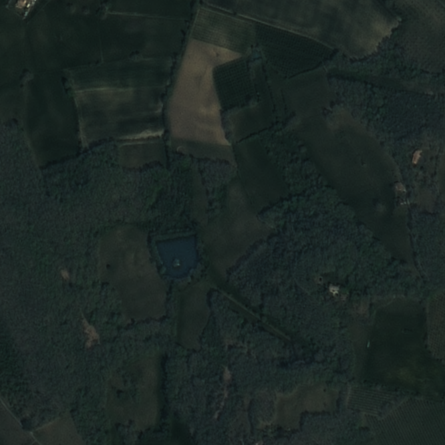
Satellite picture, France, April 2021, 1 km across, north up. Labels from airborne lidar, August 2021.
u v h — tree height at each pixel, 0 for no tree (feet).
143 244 0
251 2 0
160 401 0
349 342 44
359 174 0
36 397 37
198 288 0
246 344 48
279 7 0
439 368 0
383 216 0
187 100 0
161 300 0
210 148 0
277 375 84
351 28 0
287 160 37
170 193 51
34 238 75
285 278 43
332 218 56
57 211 68
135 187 73
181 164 74
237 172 21
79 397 72
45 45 0
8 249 57
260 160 0
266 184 0
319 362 59
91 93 0
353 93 60
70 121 0
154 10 0
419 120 20
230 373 42
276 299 78
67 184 77
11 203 60
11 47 0
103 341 24
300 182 42
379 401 18
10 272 59
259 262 58
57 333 62
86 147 0
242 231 0
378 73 31
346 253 61
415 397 20
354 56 0
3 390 34
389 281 81
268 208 33
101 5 42
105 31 0
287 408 0
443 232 45
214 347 24
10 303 62
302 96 0
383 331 0
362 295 38
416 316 0
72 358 64
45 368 71
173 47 0
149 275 0
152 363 0
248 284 62
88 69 0
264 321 41
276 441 55
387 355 0
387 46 61
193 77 0
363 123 37
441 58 19
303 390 0
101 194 64
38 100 0
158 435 53
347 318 34
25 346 63
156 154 0
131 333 72
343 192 0
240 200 0
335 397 0
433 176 40
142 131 0
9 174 45
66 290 58
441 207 49
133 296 0
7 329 43
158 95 0
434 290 51
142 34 0
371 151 0
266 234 0
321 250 62
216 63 0
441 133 47
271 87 20
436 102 29
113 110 0
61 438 0
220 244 0
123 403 0
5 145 62
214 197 53
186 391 69
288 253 49
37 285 66
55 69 0
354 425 48
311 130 0
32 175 85
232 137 50
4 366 28
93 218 82
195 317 0
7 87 0
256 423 62
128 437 71
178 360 70
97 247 76
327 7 0
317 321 59
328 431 57
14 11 0
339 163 0
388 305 0
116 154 71
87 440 48
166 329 80
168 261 0
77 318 65
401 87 0
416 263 47
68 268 41
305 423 60
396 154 59
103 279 0
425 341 38
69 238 64
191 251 0
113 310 50
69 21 0
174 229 35
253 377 63
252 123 0
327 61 52
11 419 0
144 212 64
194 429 73
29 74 64
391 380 0
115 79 0
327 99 0
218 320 62
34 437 0
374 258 77
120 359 64
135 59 40
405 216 0
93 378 75
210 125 0
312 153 0
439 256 50
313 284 37
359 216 0
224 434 32
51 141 0
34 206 68
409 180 63
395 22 0
